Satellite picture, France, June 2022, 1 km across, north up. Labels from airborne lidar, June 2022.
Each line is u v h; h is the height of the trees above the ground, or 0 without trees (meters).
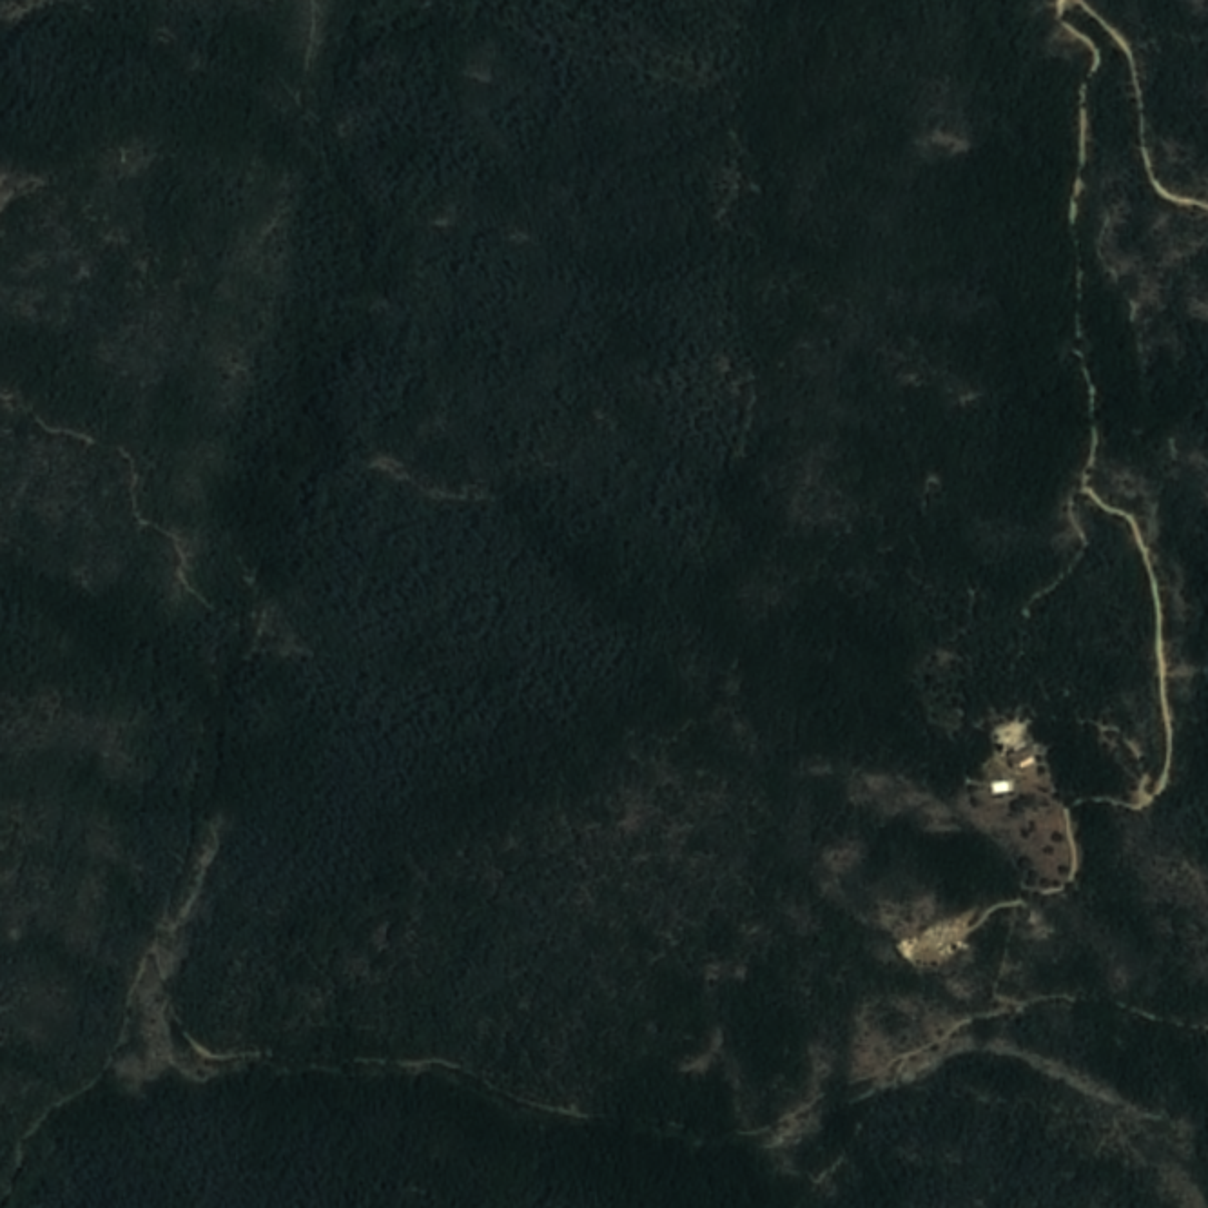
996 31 11
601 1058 8
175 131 11
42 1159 13
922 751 11
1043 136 11
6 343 13
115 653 14
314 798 6
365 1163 11
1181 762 6
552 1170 9
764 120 12
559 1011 8
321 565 14
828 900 7
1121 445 14
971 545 6
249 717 20
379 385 19
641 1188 11
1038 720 12
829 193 10
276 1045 7
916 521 12
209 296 9
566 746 8
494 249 7
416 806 8
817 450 8
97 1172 12
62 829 9
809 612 15
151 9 7
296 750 8
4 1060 8
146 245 6
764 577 9
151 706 14
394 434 7
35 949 8
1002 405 13
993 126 11
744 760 7
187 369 9
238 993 10
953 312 10
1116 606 8
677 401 8
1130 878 6
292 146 8
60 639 6
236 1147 15
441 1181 8
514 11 9
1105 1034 7
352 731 14
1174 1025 8
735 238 13
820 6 13
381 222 9
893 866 6
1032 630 9
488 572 21
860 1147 7
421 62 17
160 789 15
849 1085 6
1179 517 7
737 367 15
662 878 9
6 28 6
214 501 8
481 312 7
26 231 9
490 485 6
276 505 8
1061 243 12
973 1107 13
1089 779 14
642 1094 11
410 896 13
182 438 8
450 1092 8
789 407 9
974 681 14
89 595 10
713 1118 10
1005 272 17
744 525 7
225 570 8
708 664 7
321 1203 12
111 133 6
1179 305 6
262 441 13
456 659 14
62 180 6
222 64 7
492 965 11
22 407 7
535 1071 6
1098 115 6
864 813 7
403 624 17
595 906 6
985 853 7
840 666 15
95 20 6
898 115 9
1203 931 7
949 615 10
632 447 7
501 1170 7
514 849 7
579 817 9
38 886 7
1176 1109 6
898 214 6
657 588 11
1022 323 17
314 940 13
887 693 14
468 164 17
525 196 7
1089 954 6
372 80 13
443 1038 7
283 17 5
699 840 6
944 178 6
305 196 7
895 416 12
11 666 11
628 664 13
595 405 12
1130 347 15
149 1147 8
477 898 10
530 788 9
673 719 10
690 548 13
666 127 8
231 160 9
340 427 19
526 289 8
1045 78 11
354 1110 7
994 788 0
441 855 11
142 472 6
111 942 14
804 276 8
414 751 13
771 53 11
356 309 11
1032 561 8
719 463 7
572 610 19
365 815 12
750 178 12
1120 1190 10
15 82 21
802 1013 6
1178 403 15
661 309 18
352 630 16
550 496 17
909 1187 6
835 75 14
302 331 12
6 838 7
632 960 10
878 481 12
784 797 8
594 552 16
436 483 6
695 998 8
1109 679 10
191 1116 14
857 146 12
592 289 16
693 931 11
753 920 8
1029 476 17
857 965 8
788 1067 10
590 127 10
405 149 12
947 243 10
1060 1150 13
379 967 12
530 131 9
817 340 9
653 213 8
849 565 13
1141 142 7
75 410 7
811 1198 6
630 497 6
